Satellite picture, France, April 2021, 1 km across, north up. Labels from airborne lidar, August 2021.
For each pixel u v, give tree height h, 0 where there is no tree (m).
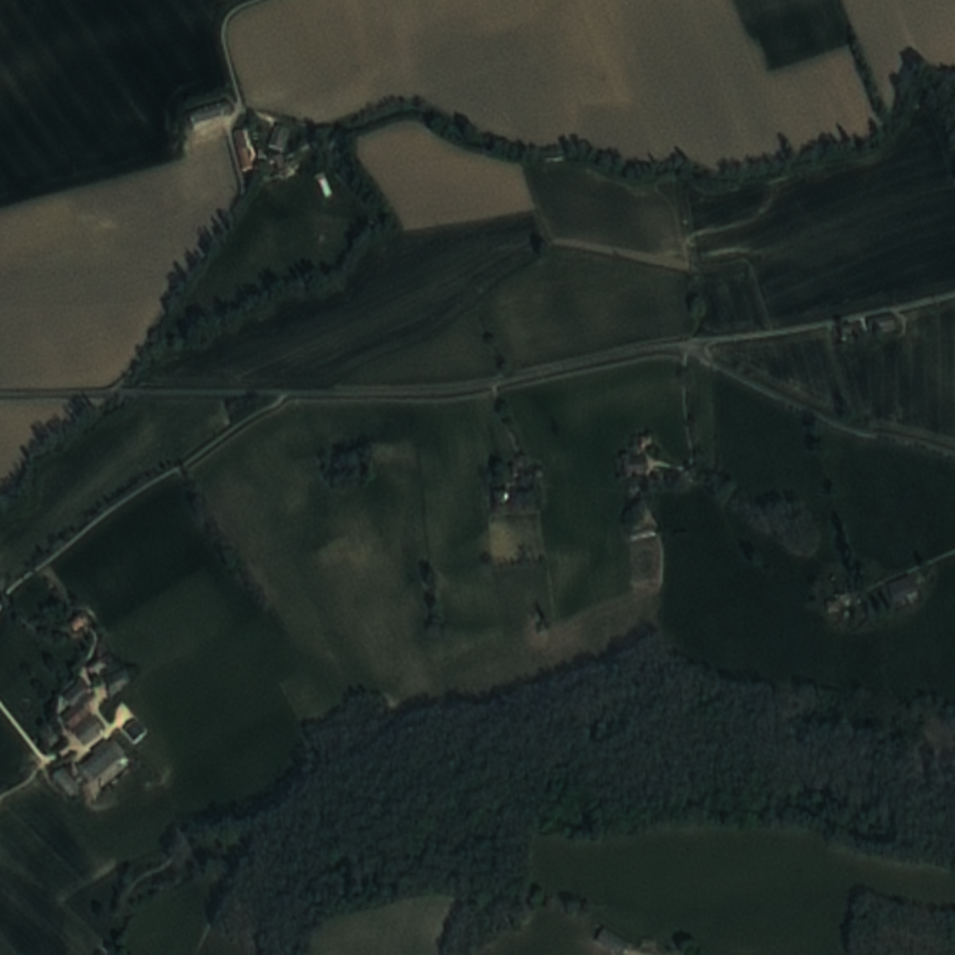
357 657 0
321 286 27
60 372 0
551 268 0
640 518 15
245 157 0
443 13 0
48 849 0
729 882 0
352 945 0
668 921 0
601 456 0
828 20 0
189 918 0
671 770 24
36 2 0
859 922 14
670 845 0
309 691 0
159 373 0
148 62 0
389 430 0
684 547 0
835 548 0
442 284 0
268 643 0
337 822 26
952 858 27
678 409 0
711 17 0
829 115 0
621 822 19
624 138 0
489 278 0
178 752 0
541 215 0
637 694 23
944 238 0
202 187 0
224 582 0
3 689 0
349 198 0
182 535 0
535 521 0
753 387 0
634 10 0
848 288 0
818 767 25
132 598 0
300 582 0
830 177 0
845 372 0
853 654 0
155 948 0
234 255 0
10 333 0
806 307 0
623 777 22
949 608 0
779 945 0
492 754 27
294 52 0
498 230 0
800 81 0
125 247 0
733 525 0
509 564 11
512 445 0
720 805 24
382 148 0
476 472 0
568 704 20
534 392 0
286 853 24
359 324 0
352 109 0
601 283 0
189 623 0
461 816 18
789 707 21
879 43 0
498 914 14
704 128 0
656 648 18
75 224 0
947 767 17
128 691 0
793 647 0
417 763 24
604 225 0
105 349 0
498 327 0
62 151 0
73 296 0
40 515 0
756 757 24
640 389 0
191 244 0
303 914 18
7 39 0
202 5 0
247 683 0
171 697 0
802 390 0
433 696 0
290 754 0
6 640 0
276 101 0
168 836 0
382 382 0
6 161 0
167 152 0
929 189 0
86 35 0
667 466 0
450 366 0
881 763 23
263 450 0
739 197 0
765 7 0
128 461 0
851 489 0
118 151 0
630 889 0
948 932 19
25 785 0
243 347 0
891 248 0
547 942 0
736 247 0
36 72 0
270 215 0
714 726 22
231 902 21
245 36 0
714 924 0
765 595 0
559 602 0
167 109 0
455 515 0
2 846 0
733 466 0
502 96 0
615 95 0
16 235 0
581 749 21
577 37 0
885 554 0
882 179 0
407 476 0
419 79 0
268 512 0
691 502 0
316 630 0
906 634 0
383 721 14
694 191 0
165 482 0
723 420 0
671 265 0
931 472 0
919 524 0
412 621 0
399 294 0
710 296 0
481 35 0
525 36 0
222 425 0
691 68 0
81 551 0
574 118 0
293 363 0
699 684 22
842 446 0
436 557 0
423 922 0
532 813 23
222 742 0
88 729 0
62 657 0
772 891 0
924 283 0
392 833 24
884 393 0
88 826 0
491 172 0
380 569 0
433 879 23
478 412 0
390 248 0
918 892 0
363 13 0
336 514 0
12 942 0
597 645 0
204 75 0
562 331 0
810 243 0
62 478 0
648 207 0
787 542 22
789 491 0
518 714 20
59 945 0
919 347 0
